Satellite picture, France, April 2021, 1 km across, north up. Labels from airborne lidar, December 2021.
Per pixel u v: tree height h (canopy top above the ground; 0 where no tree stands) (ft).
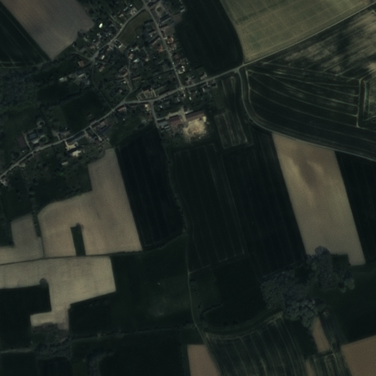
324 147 0
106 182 0
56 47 0
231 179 0
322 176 0
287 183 0
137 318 0
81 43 0
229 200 0
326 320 0
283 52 0
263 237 0
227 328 50
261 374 0
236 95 0
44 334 19
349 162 0
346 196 0
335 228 0
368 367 0
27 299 0
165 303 0
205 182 0
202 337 0
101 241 0
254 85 0
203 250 0
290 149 0
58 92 0
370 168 0
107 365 0
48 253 0
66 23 0
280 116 0
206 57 0
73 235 0
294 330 0
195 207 0
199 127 0
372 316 0
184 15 0
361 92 0
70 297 0
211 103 23
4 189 0
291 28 0
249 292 0
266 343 0
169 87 21
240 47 0
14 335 0
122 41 0
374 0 0
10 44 0
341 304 0
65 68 0
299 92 0
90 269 0
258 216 0
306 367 0
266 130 0
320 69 0
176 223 0
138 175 0
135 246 0
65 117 0
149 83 19
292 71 0
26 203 0
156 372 0
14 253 0
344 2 0
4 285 0
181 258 0
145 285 0
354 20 0
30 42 0
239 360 0
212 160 0
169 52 0
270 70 0
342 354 0
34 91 53
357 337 0
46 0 0
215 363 0
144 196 0
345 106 0
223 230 0
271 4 0
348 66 0
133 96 0
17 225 0
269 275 0
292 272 86
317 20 0
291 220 0
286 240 0
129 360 0
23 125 0
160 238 0
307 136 0
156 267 0
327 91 0
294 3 0
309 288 75
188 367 0
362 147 0
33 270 0
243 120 0
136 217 0
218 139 0
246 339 0
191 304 0
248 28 0
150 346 0
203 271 0
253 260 0
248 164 0
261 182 0
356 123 0
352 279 91
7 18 0
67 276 0
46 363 0
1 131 57
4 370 0
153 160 0
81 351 0
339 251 0
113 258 0
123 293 0
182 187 0
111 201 0
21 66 0
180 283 0
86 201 0
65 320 0
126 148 0
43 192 0
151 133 0
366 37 0
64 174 44
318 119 0
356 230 0
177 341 0
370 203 0
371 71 0
